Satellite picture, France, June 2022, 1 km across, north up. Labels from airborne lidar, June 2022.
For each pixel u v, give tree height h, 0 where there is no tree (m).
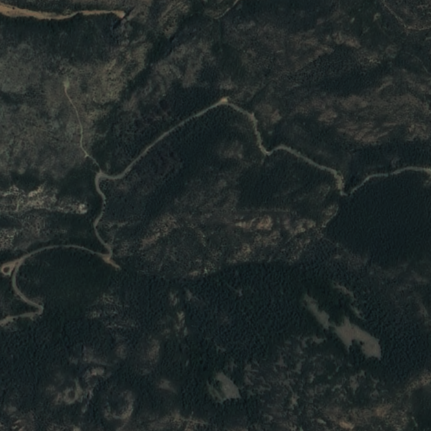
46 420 7
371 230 7
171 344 10
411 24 0
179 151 11
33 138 0
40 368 12
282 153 7
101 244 7
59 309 9
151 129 8
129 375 13
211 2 8
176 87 8
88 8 8
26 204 0
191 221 0
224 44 5
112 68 0
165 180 9
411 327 8
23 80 0
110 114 6
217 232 6
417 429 6
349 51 10
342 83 8
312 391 0
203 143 9
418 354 13
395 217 7
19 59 0
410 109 0
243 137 8
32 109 0
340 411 0
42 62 0
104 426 10
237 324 14
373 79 9
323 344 7
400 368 8
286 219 0
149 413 0
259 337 12
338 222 11
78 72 0
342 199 15
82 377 9
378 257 9
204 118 11
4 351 13
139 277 12
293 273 13
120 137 6
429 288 9
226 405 9
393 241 9
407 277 0
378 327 12
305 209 6
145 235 6
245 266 9
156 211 7
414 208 9
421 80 0
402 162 9
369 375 6
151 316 11
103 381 8
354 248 9
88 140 0
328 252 11
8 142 0
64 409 9
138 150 10
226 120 7
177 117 12
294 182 6
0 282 7
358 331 0
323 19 0
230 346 11
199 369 11
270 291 11
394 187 9
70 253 10
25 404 11
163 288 12
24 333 11
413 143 8
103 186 8
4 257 6
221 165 7
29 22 7
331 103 0
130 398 0
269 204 7
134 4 0
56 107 0
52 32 9
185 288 11
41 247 6
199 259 8
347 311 10
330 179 9
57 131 0
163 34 7
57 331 10
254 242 8
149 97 0
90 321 14
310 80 9
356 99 0
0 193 0
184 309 9
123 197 11
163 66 0
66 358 14
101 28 0
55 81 0
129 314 7
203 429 7
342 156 8
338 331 0
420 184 7
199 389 17
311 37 0
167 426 0
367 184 10
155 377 7
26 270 6
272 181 7
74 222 7
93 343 10
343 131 0
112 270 7
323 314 0
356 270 7
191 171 9
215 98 11
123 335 8
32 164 0
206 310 11
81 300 8
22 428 0
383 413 0
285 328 11
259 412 7
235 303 14
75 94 0
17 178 9
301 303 6
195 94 8
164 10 0
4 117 0
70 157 0
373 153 13
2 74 0
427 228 11
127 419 0
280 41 0
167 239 5
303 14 0
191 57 0
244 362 9
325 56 9
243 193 8
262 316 10
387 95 0
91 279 9
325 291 18
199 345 7
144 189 12
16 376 10
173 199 7
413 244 9
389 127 0
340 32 0
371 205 10
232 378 7
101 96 0
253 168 7
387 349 13
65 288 6
